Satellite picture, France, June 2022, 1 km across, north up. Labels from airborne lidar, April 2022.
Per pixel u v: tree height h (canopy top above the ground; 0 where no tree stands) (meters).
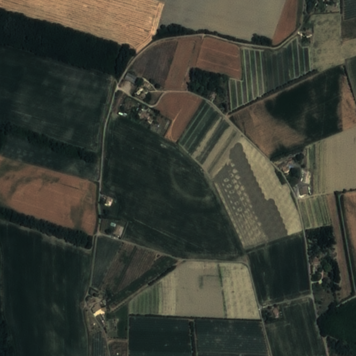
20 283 0
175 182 0
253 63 0
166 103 0
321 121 0
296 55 0
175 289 0
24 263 0
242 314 0
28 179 0
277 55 0
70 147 10
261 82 0
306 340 0
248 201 0
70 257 0
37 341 0
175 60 0
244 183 0
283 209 0
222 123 0
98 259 0
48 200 0
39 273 0
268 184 0
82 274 0
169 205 0
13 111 0
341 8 7
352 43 0
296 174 19
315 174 0
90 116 0
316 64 0
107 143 0
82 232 13
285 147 0
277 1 0
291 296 0
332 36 0
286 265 0
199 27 0
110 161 0
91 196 0
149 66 0
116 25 0
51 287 0
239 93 0
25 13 0
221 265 0
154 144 0
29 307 0
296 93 0
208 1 0
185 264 0
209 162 0
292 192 0
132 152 0
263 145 0
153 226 0
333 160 0
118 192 0
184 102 0
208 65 0
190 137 0
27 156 0
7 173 0
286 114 0
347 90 0
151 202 0
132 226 0
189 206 0
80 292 0
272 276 0
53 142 15
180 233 0
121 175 0
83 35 17
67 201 0
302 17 0
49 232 16
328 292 8
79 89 0
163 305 0
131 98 5
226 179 0
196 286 0
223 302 0
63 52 21
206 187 0
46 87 0
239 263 0
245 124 0
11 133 19
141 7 0
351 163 0
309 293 0
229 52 0
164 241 0
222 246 0
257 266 0
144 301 0
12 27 21
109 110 0
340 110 0
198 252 0
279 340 0
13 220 16
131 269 0
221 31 0
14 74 0
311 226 0
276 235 0
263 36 6
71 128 0
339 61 0
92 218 0
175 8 0
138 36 0
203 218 0
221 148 0
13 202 0
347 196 0
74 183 0
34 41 23
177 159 0
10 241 0
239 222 0
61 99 0
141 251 0
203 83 13
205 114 0
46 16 0
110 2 0
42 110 0
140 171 0
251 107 0
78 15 0
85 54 20
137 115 6
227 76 6
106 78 0
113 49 17
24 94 0
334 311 18
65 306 0
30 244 0
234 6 0
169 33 11
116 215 0
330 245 18
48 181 0
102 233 0
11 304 0
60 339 0
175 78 0
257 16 0
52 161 0
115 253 0
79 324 0
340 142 0
